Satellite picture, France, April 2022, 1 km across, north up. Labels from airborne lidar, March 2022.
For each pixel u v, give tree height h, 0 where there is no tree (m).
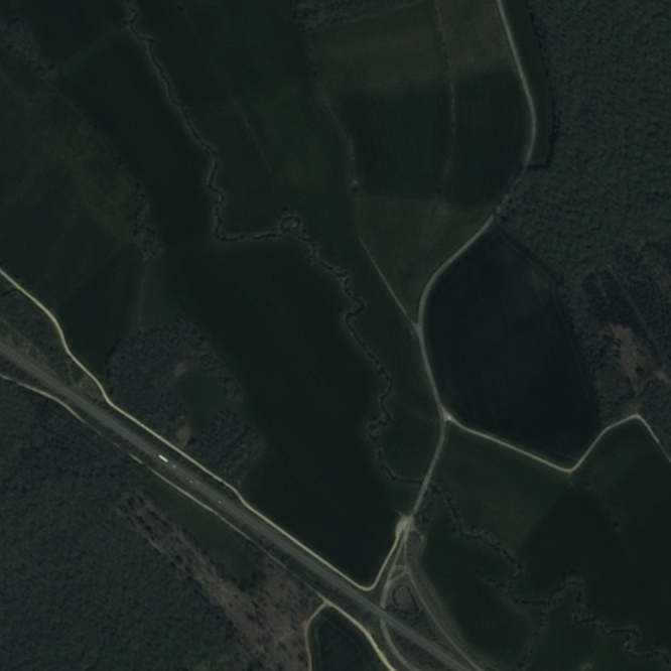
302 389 0
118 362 21
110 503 21
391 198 0
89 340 0
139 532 22
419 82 0
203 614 28
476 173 0
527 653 0
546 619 8
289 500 0
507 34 0
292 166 0
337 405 0
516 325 0
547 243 21
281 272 0
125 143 0
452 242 0
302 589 24
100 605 26
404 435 0
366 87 0
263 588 26
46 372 0
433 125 0
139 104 0
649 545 0
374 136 0
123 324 0
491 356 0
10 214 0
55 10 0
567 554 0
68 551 23
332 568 0
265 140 0
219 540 0
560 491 0
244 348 0
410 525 0
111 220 0
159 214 0
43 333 8
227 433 18
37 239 0
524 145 0
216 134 0
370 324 0
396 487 0
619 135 21
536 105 0
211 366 14
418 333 0
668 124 21
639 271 29
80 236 0
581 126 22
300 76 0
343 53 0
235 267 0
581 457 0
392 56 0
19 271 0
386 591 0
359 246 0
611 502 0
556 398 0
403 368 0
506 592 14
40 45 0
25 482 27
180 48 0
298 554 0
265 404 0
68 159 0
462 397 0
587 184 24
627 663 0
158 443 6
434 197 0
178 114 0
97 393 0
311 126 0
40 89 0
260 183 0
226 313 0
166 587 27
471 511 0
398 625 0
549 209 25
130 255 0
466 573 0
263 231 0
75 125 0
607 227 22
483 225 0
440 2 0
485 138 0
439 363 0
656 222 22
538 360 0
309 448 0
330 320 0
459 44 0
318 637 0
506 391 0
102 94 0
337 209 0
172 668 20
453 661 0
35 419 21
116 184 0
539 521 0
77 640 25
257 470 0
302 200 0
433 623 0
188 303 0
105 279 0
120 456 19
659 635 0
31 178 0
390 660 0
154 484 0
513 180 0
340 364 0
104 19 0
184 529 0
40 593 25
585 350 9
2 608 25
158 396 14
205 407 0
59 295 0
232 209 0
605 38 25
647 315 22
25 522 23
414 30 0
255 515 0
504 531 0
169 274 0
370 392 0
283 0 0
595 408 0
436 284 0
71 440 22
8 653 25
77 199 0
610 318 16
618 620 0
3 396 21
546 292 0
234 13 0
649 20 24
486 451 0
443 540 0
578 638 0
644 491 0
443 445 0
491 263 0
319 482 0
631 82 23
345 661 0
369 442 0
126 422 7
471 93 0
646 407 11
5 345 0
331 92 0
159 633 21
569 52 22
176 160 0
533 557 0
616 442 0
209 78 0
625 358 15
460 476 0
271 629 23
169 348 17
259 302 0
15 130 0
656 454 0
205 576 27
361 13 17
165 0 0
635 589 0
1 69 0
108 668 22
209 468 6
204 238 0
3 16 0
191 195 0
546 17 21
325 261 0
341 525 0
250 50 0
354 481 0
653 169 23
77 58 0
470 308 0
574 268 19
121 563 21
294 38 0
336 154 0
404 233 0
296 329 0
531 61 0
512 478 0
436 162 0
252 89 0
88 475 24
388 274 0
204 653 23
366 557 0
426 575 0
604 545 0
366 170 0
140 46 0
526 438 0
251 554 10
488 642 0
